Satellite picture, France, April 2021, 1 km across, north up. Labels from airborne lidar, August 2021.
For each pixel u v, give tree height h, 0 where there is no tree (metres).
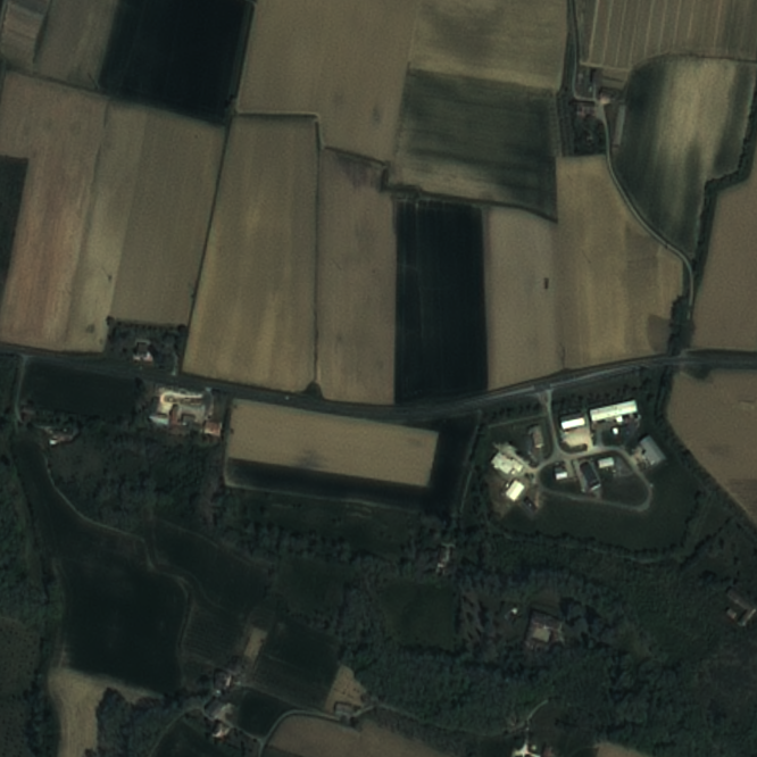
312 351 0
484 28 0
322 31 0
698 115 0
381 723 10
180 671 0
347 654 16
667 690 14
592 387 0
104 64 0
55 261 0
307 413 0
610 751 0
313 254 0
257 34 0
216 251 0
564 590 20
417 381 0
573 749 0
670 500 0
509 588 28
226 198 0
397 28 0
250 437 0
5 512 24
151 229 0
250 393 0
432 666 27
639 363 0
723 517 0
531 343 0
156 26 0
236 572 0
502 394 0
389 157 0
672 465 0
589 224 0
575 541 16
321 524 0
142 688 0
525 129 0
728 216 0
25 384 0
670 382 10
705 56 0
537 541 10
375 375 0
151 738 15
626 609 21
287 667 0
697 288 0
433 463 0
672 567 7
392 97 0
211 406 12
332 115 0
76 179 0
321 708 0
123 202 0
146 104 0
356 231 0
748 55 0
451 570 13
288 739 0
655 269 0
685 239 0
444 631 0
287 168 0
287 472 0
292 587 0
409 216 0
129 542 0
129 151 0
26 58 0
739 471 0
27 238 0
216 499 12
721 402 0
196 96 0
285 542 16
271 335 0
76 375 0
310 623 10
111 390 0
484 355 0
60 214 0
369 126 0
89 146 0
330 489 0
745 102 0
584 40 0
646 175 0
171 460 12
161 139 0
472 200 0
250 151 0
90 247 0
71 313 0
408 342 0
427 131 0
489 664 11
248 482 0
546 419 0
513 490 0
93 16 0
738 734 6
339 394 0
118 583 0
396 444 0
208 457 8
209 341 0
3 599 17
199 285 0
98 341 0
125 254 0
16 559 22
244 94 0
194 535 0
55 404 0
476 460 11
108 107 0
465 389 0
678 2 0
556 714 0
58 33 0
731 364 0
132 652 0
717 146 0
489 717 24
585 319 0
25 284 0
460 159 0
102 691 0
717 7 0
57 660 0
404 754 0
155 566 0
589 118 11
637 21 0
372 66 0
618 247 0
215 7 0
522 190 0
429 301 0
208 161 0
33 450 0
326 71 0
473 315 0
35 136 0
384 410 0
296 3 0
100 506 15
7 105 0
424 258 0
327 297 0
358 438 0
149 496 17
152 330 7
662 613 7
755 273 0
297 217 0
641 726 16
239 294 0
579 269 0
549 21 0
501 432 0
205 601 0
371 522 0
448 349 0
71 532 0
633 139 0
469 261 0
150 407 7
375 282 0
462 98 0
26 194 0
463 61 0
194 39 0
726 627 7
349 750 0
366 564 14
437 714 17
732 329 0
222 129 0
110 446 9
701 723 15
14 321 0
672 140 0
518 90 0
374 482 0
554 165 0
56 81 0
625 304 0
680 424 0
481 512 7
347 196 0
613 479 0
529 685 13
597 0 0
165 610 0
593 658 17
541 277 0
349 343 0
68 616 0
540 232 0
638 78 0
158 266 0
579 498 0
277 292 0
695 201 0
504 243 0
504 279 0
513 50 0
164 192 0
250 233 0
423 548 8
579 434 0
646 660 8
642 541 0
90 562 0
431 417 0
